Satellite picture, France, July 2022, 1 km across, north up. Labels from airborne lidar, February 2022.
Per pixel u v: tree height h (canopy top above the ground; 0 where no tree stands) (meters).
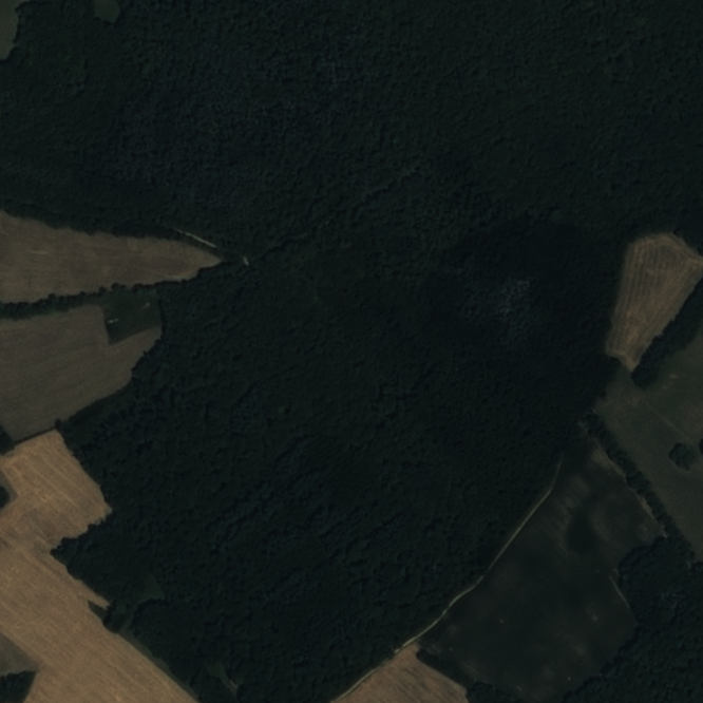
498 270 19
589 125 18
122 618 12
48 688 0
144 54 21
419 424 24
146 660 0
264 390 29
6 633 0
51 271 0
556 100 19
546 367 21
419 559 22
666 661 16
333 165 11
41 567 0
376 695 0
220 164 14
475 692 15
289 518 17
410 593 26
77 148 13
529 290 20
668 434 0
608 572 0
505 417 21
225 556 16
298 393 23
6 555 0
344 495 18
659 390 0
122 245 0
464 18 17
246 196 21
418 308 11
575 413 13
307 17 8
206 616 29
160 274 0
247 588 20
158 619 16
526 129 19
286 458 28
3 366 0
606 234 21
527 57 12
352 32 12
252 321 21
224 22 19
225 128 18
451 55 13
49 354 0
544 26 17
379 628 23
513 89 16
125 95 16
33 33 16
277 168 21
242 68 26
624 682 19
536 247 20
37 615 0
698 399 0
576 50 21
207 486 25
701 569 16
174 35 21
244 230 19
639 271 0
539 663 0
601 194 23
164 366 24
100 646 0
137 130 21
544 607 0
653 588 21
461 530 15
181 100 15
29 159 19
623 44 18
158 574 15
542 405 22
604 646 0
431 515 19
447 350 10
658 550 15
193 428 25
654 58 19
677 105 22
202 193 22
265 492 30
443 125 19
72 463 0
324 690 28
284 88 20
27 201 17
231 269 18
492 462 23
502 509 23
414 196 20
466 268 25
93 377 0
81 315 0
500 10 19
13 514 0
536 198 23
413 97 22
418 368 10
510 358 22
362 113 18
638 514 0
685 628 24
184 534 23
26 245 0
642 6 19
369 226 10
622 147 22
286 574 19
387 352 16
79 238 0
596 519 0
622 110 20
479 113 19
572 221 21
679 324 14
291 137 25
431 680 0
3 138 13
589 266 17
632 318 0
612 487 0
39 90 15
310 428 23
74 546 22
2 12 0
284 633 23
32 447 0
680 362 0
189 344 22
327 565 18
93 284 0
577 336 18
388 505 14
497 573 0
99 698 0
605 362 14
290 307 21
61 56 16
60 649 0
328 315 21
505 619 0
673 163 21
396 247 11
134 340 0
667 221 22
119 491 21
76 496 0
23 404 0
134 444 28
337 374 22
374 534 18
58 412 0
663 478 0
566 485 0
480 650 0
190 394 24
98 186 22
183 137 23
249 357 26
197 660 23
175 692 0
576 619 0
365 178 22
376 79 20
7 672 0
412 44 21
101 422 0
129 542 22
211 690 17
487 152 22
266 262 20
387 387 24
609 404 0
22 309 20
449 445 24
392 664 0
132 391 0
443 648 0
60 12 8
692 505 0
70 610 0
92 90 15
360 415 22
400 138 16
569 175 22
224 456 23
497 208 19
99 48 16
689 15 22
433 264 17
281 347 23
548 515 0
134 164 22
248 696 21
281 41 20
